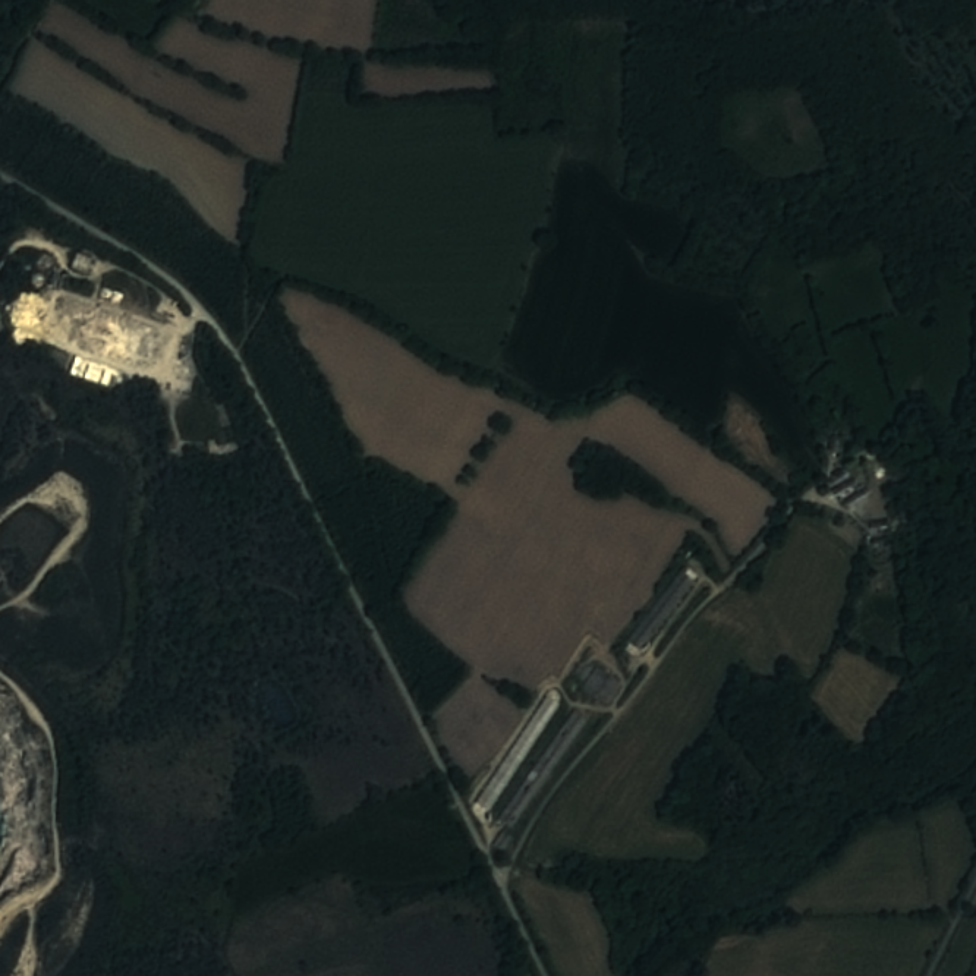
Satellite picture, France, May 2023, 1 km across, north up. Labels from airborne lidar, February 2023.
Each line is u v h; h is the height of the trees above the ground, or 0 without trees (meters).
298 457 6
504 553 0
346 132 0
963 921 0
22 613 0
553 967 8
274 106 0
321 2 0
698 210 15
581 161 0
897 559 13
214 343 12
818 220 19
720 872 8
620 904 9
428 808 0
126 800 0
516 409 0
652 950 20
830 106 13
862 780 9
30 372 0
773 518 17
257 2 0
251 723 10
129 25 0
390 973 0
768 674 0
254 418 12
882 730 22
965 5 17
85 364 0
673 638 0
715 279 9
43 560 0
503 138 11
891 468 9
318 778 0
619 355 0
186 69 15
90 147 8
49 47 10
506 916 9
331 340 0
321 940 0
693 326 0
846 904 0
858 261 0
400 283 0
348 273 0
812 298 8
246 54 0
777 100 0
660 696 0
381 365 0
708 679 0
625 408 0
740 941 0
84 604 0
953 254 22
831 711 0
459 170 0
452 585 0
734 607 0
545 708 0
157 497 11
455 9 18
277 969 0
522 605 0
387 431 0
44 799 0
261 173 10
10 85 7
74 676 0
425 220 0
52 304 0
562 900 0
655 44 11
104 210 6
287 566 14
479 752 0
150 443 10
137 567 10
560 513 0
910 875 0
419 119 0
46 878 0
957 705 9
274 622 13
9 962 0
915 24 11
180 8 12
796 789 11
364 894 6
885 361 13
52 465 0
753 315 8
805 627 0
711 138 11
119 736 14
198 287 7
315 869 0
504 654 0
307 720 8
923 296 17
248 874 0
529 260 0
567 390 0
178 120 18
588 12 21
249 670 12
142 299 0
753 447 0
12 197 7
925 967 0
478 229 0
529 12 20
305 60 10
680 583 0
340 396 0
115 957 8
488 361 0
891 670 17
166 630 10
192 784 0
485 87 0
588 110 0
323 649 17
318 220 0
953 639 14
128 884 0
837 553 0
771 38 12
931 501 18
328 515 7
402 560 8
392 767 0
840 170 18
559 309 0
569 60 0
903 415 18
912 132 12
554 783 0
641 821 0
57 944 0
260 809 8
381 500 7
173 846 0
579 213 0
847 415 9
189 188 0
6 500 0
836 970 0
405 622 7
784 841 10
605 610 0
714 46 14
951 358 0
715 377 0
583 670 0
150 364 0
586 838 0
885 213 16
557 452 0
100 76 14
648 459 0
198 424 0
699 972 17
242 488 12
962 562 26
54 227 11
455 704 0
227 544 12
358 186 0
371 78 0
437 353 7
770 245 9
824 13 15
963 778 10
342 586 15
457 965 0
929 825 0
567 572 0
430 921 0
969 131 18
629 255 0
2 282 16
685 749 0
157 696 17
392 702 0
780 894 14
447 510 20
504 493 0
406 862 0
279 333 6
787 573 0
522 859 0
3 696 0
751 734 25
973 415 31
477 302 0
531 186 0
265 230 0
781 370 14
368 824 0
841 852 15
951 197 18
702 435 18
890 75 15
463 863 0
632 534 0
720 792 22
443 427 0
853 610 8
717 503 0
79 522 0
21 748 0
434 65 13
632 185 10
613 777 0
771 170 0
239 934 0
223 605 13
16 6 17
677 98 10
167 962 14
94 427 0
